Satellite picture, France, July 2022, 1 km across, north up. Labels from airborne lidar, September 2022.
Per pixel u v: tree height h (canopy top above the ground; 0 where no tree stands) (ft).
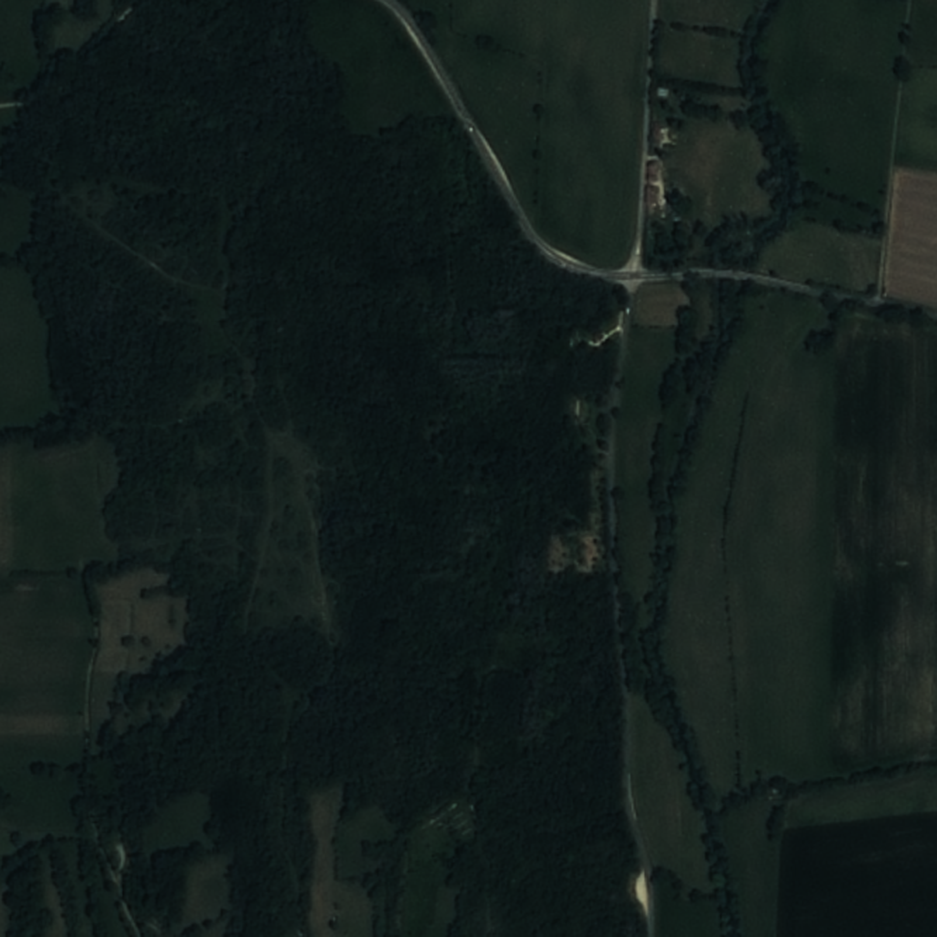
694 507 0
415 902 0
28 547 0
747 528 0
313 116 46
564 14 0
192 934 55
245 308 22
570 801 69
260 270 37
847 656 0
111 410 61
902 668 0
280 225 50
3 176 37
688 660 0
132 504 21
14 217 0
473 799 18
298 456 0
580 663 49
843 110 0
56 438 32
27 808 0
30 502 0
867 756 0
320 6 39
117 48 69
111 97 65
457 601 52
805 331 0
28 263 51
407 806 30
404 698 45
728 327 24
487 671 52
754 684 0
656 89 33
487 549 25
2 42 0
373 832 0
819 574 0
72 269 48
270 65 72
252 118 54
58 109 57
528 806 68
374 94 0
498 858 20
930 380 0
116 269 32
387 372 49
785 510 0
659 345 0
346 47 0
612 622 37
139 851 20
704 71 0
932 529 0
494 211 46
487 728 37
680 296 0
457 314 29
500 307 19
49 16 56
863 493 0
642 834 0
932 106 0
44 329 0
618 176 0
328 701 79
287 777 35
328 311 26
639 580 0
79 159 28
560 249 0
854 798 0
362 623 44
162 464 36
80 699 0
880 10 0
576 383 62
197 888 0
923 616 0
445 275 27
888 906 0
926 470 0
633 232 0
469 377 61
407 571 34
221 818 21
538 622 43
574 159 0
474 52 0
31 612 0
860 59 0
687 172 0
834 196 47
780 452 0
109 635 0
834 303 73
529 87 0
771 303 0
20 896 52
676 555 59
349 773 48
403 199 46
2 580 0
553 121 0
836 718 0
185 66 42
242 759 27
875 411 0
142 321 22
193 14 23
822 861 0
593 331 59
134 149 20
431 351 49
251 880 20
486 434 49
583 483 52
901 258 0
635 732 0
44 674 0
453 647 47
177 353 21
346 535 70
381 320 29
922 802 0
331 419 25
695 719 0
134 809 38
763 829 0
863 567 0
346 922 0
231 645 40
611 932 50
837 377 0
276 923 38
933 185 0
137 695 50
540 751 48
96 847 22
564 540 20
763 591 0
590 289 49
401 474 42
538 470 50
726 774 0
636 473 0
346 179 44
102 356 77
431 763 43
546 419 30
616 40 0
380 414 48
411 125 36
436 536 47
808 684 0
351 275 21
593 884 21
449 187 19
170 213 44
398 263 51
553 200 0
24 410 0
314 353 29
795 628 0
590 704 61
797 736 0
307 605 0
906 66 64
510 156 0
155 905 21
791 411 0
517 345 63
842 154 0
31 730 0
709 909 0
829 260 0
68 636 0
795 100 0
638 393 0
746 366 0
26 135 60
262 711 21
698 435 51
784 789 50
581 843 48
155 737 53
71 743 0
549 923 29
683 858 0
